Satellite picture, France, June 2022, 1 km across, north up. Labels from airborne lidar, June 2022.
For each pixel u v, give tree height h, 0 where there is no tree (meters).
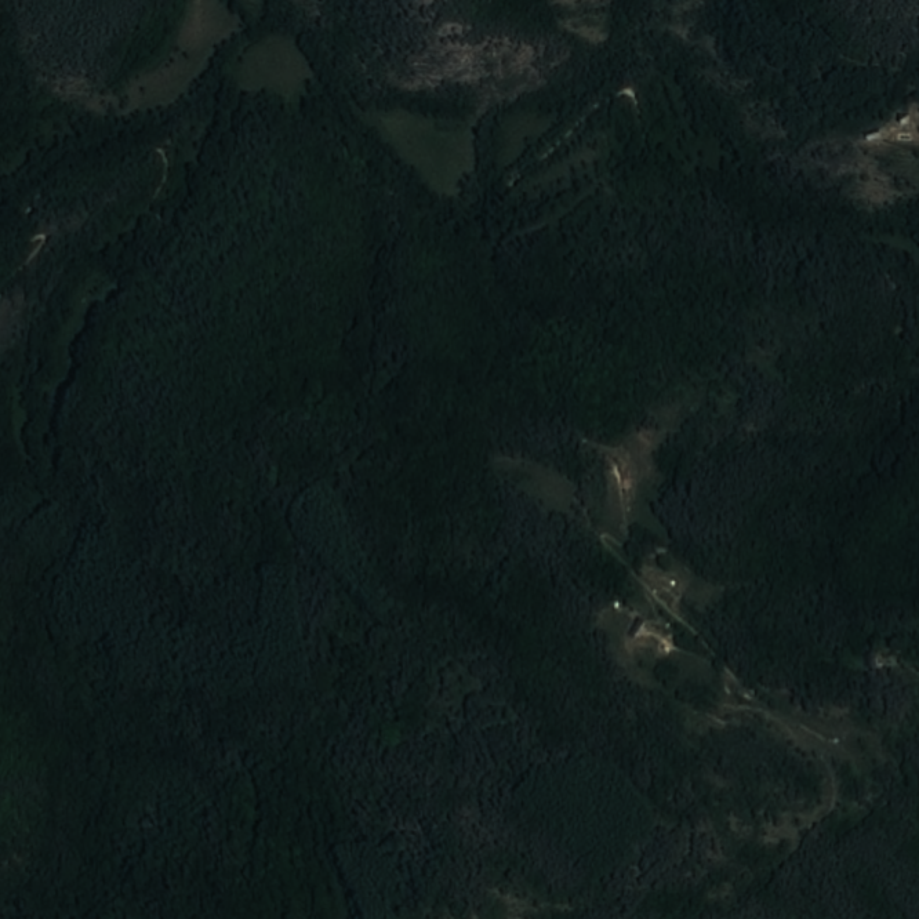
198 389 18
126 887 22
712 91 18
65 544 27
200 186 22
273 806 22
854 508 36
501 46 9
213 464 21
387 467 19
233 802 20
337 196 20
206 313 19
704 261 16
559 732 17
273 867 18
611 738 23
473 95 7
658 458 8
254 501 9
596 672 16
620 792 31
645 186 18
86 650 11
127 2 21
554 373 18
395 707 12
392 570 12
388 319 26
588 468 5
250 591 20
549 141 8
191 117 14
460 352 18
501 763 16
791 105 17
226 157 17
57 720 23
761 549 21
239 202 10
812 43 28
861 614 20
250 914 15
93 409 18
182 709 9
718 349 10
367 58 13
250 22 19
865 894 19
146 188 14
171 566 19
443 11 11
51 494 17
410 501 9
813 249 20
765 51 23
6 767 15
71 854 25
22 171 15
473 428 17
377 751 10
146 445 16
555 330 13
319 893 15
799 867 14
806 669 11
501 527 12
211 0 0
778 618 15
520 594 19
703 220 19
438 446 14
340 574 26
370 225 22
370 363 25
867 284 16
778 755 8
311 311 22
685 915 10
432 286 20
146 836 7
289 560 19
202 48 0
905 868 18
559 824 29
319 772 11
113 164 16
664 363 18
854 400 27
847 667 7
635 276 13
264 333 17
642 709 6
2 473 21
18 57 18
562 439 16
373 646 10
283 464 19
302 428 23
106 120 19
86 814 27
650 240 21
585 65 17
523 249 15
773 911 23
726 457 25
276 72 0
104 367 18
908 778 11
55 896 15
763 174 15
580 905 10
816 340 7
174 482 15
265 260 14
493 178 18
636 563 8
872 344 23
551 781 26
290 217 15
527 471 0
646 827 27
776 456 20
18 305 10
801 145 7
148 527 16
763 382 15
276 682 25
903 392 19
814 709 16
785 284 16
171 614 22
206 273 21
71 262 16
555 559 13
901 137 0
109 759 8
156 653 25
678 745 12
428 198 23
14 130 14
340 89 21
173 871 21
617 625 0
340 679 9
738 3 30
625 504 0
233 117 12
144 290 22
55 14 19
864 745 8
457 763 8
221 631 20
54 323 25
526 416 14
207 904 26
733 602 11
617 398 10
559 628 22
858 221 15
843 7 7
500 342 27
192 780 9
